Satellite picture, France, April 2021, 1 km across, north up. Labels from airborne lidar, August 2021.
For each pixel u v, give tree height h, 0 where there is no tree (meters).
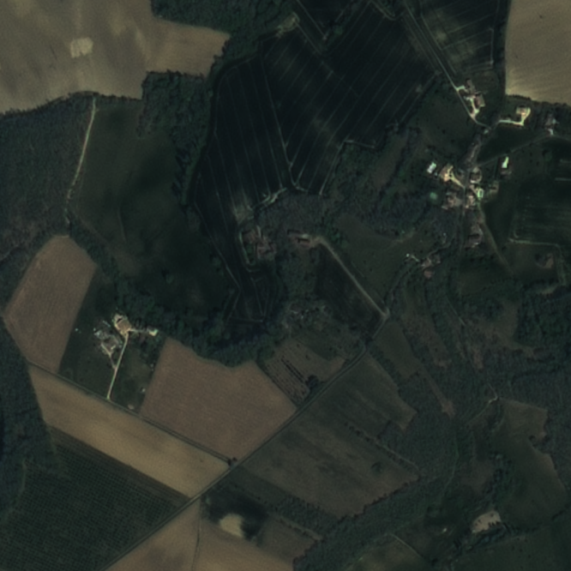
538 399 18
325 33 0
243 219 0
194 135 20
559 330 20
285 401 0
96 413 0
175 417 0
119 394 0
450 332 18
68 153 15
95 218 0
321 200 19
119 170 0
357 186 15
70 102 9
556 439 20
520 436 0
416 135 16
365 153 6
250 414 0
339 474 0
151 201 0
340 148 0
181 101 19
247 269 0
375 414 0
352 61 0
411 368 0
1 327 13
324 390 0
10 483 16
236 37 17
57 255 0
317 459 0
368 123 0
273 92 0
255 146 0
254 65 0
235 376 0
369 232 0
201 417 0
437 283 20
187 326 12
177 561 0
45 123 20
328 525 8
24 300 0
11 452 18
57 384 0
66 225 13
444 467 12
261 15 18
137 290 10
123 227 0
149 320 8
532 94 0
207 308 0
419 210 16
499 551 0
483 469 0
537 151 0
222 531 0
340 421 0
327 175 0
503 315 19
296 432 0
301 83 0
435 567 11
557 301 22
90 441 0
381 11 0
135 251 0
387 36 0
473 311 8
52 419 0
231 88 0
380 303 0
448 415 8
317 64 0
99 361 0
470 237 0
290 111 0
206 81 17
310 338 0
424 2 0
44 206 7
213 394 0
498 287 7
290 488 0
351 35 0
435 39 0
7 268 16
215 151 0
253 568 0
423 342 8
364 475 0
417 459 16
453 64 0
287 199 13
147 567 0
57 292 0
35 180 16
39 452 20
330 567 19
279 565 0
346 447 0
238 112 0
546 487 0
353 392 0
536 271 0
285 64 0
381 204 17
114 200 0
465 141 0
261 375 0
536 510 0
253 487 0
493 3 0
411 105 0
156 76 13
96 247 28
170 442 0
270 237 8
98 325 0
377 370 0
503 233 0
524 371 19
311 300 12
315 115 0
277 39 0
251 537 0
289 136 0
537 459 0
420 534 0
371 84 0
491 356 16
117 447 0
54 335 0
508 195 0
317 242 0
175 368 0
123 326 0
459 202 0
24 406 11
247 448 0
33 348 0
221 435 0
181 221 0
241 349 26
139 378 0
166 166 0
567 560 0
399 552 0
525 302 18
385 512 18
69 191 12
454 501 7
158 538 0
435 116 0
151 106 16
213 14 21
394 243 0
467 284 0
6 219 11
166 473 0
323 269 0
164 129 7
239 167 0
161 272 0
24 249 9
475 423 0
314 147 0
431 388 12
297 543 0
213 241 0
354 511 0
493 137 11
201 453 0
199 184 0
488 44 0
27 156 14
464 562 0
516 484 13
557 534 0
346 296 0
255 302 0
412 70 0
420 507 22
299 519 9
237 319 0
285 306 13
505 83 7
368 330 0
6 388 16
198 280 0
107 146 0
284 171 0
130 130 0
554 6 0
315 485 0
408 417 0
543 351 13
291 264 19
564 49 0
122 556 0
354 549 17
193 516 0
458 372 12
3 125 13
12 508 12
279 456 0
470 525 14
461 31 0
